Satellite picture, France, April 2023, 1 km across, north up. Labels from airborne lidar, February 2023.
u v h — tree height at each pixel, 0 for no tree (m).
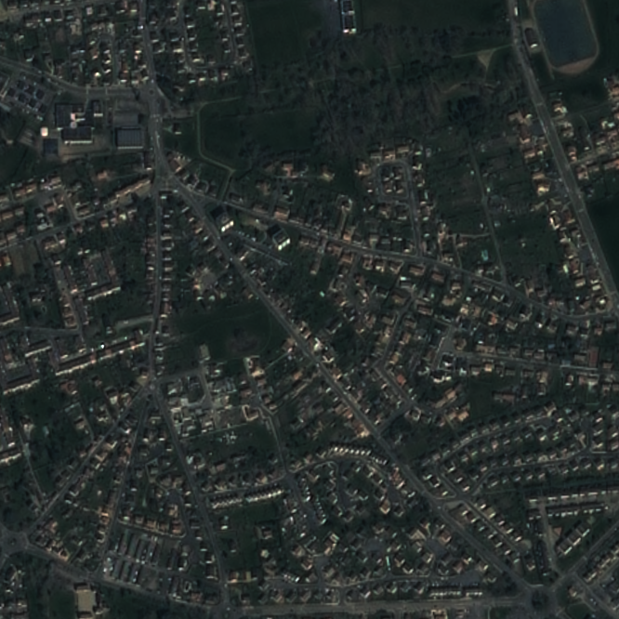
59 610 0
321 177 0
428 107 20
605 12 0
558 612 0
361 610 0
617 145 0
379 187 0
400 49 0
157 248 0
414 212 0
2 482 15
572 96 0
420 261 0
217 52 0
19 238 0
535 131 0
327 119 10
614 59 0
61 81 0
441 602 0
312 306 7
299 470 0
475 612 0
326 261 0
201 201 0
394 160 0
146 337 0
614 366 7
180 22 0
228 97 14
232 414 0
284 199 0
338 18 0
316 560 0
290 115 0
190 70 0
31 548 0
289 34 0
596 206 0
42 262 7
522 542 0
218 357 0
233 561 0
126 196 0
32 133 0
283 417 0
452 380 0
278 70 12
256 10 0
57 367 0
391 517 8
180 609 11
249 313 0
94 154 0
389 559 0
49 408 0
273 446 0
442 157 0
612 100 0
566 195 0
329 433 0
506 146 0
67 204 0
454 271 0
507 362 0
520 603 0
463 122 14
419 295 0
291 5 0
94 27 0
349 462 0
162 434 0
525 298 0
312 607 0
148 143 0
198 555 0
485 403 0
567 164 0
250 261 0
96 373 0
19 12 0
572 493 0
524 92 13
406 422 7
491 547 0
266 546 7
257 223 0
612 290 0
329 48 14
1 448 0
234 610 0
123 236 0
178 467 0
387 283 0
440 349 0
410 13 0
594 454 0
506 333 6
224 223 0
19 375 8
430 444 7
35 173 13
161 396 0
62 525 0
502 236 0
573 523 0
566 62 0
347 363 0
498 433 0
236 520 0
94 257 0
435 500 0
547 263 0
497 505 10
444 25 0
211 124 0
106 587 0
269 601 0
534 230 0
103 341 0
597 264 0
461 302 0
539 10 0
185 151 0
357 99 21
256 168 7
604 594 0
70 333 0
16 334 6
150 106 0
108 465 6
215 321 0
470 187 0
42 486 0
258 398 0
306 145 0
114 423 0
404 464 10
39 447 14
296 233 0
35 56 8
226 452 0
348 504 0
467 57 0
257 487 0
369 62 0
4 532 0
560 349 6
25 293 14
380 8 0
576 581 0
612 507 0
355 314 6
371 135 26
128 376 0
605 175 9
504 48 0
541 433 0
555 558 0
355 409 0
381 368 0
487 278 0
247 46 0
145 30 0
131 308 0
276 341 0
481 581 0
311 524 0
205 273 0
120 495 0
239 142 0
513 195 0
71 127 0
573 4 0
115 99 0
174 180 0
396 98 18
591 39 0
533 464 0
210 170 0
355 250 0
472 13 0
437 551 0
